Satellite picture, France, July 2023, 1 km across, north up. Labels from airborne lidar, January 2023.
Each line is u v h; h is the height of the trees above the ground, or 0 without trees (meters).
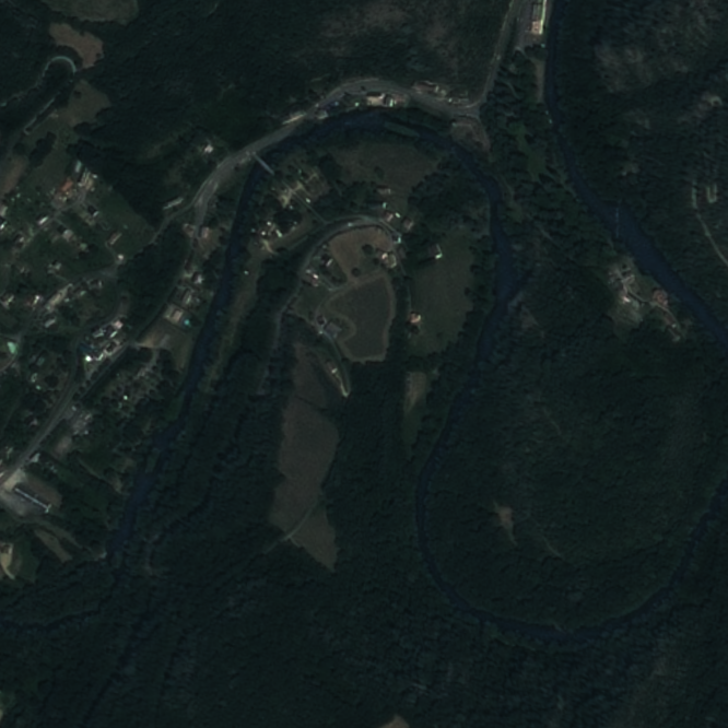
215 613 14
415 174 0
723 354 13
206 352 0
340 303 0
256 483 14
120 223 0
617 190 10
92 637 24
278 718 15
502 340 14
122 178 11
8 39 15
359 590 22
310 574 7
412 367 9
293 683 18
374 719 14
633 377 17
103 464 0
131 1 0
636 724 8
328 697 16
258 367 21
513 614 20
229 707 16
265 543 8
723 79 7
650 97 18
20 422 8
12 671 16
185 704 14
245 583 16
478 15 8
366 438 19
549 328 8
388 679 19
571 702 12
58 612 15
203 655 18
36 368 10
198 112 22
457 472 24
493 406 17
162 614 20
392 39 8
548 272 9
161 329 0
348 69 11
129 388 7
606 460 14
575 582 25
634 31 13
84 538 25
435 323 0
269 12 14
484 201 21
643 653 9
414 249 10
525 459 14
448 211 11
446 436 0
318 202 7
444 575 18
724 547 24
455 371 23
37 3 19
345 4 11
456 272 0
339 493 18
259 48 20
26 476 0
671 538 21
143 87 18
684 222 10
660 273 0
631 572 15
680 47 21
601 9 14
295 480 0
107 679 16
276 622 21
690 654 17
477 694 18
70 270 0
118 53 16
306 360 0
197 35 20
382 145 0
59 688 21
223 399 17
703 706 25
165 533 10
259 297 9
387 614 16
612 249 27
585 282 16
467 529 23
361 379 10
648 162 20
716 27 17
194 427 12
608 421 13
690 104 6
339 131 16
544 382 10
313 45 10
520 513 10
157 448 0
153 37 21
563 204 35
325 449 0
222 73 26
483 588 25
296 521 0
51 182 0
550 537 10
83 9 0
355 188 12
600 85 9
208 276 12
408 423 0
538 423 11
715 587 9
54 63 6
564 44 24
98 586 25
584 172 16
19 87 15
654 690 7
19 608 20
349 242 0
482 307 28
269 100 22
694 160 11
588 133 24
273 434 14
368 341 0
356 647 19
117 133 23
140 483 0
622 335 0
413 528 25
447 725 16
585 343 28
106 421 9
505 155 19
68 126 0
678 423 15
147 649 20
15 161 0
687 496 12
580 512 18
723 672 23
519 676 20
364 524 16
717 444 15
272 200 14
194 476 22
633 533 14
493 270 14
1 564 12
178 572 17
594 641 16
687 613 12
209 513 21
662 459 20
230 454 13
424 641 27
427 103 0
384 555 21
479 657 13
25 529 7
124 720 11
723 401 20
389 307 0
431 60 8
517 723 19
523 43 0
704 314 0
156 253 14
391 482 21
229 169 0
